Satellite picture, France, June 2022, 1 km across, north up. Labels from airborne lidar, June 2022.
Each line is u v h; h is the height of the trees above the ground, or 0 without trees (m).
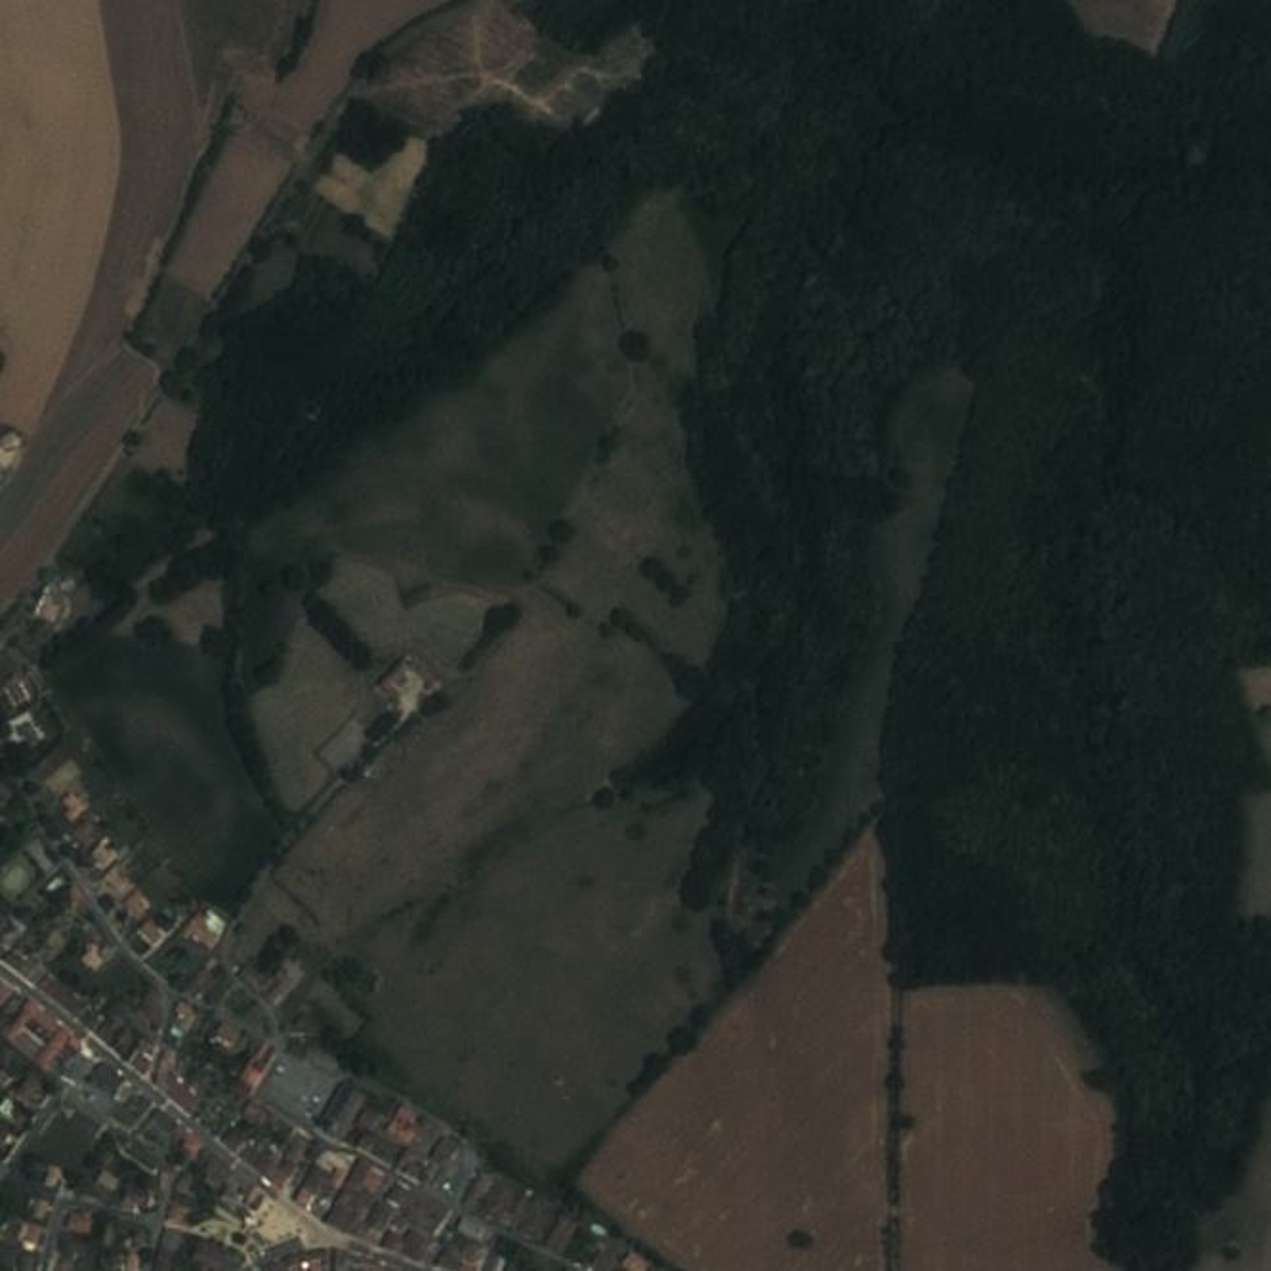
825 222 30
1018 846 22
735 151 18
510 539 0
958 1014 0
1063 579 30
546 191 14
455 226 7
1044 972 20
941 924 15
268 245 10
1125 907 31
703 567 0
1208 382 17
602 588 0
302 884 0
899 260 22
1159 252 18
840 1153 0
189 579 23
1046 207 21
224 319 12
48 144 0
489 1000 0
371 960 0
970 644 17
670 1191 0
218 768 0
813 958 0
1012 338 15
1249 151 20
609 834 0
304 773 0
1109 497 23
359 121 16
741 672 13
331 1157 0
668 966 0
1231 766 19
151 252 0
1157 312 21
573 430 0
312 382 16
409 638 0
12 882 0
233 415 13
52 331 0
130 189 0
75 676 0
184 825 0
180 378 9
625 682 0
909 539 0
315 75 0
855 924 0
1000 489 14
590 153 27
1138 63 17
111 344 0
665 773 15
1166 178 17
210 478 17
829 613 22
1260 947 15
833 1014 0
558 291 9
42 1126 0
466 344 14
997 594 18
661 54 19
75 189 0
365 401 21
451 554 0
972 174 17
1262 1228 0
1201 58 23
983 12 21
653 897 0
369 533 0
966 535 16
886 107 11
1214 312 15
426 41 0
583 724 0
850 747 0
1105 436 28
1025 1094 0
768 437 24
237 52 0
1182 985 22
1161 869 24
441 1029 0
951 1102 0
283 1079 0
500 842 0
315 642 0
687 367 0
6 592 0
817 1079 0
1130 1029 17
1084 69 21
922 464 0
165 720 0
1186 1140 27
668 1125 0
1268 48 21
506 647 0
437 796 0
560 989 0
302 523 0
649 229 0
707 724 14
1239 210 17
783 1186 0
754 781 18
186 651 0
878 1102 0
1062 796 25
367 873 0
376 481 0
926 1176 0
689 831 0
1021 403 15
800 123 13
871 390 20
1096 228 25
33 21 0
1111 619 27
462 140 20
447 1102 0
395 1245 0
